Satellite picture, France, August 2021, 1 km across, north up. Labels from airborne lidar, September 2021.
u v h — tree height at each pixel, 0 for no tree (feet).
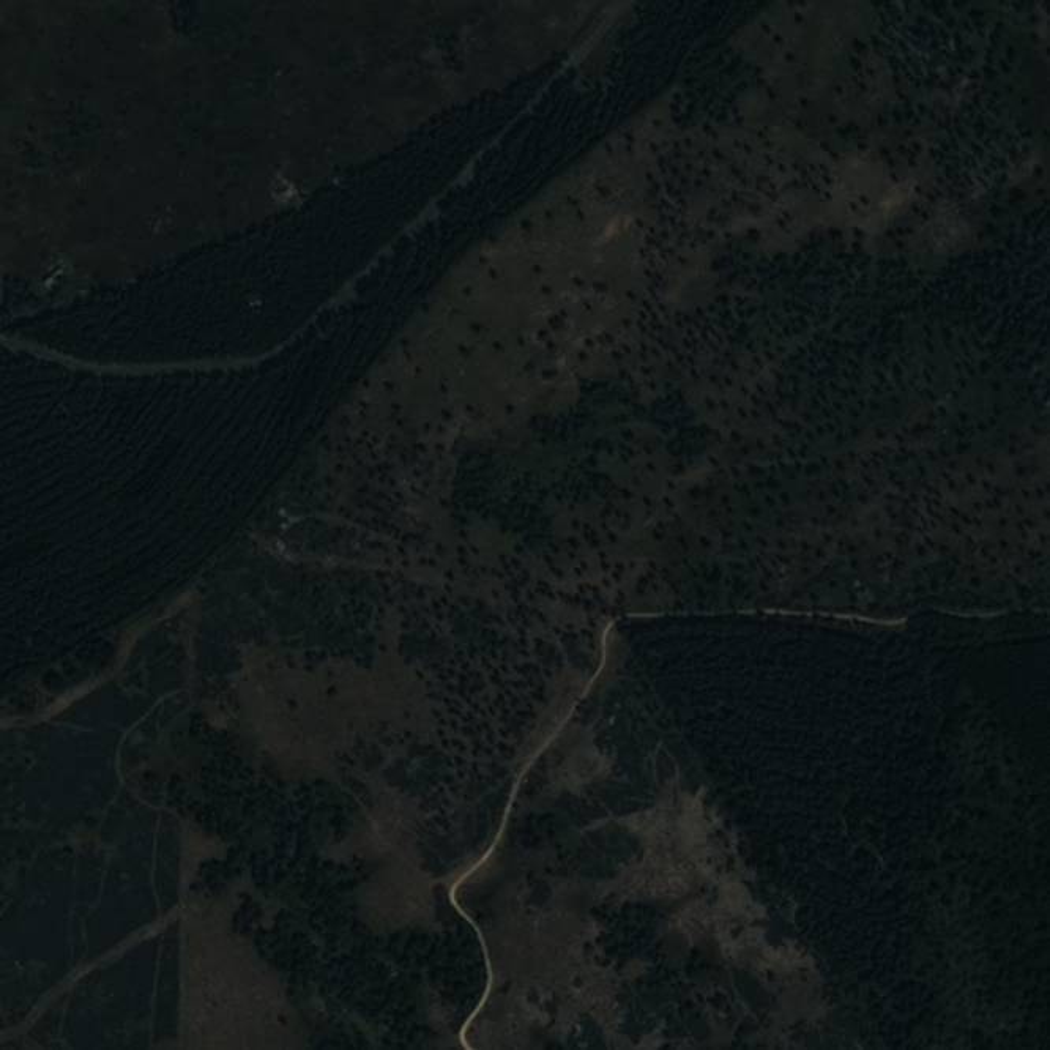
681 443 34
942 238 0
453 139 47
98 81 0
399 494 33
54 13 0
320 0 0
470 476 35
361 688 0
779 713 68
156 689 0
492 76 0
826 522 0
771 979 32
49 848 0
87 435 44
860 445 0
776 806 57
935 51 59
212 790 39
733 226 0
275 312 48
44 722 0
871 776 61
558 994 0
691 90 29
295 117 0
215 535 46
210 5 0
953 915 24
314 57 0
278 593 0
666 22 48
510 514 24
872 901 67
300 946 45
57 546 47
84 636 62
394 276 60
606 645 0
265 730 0
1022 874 32
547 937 0
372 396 0
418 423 0
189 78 0
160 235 0
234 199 0
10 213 0
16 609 39
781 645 47
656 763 0
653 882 0
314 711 0
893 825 64
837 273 43
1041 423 0
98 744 0
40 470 46
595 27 0
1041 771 43
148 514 38
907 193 0
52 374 42
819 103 0
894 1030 50
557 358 0
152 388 32
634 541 0
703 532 0
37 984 0
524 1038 0
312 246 39
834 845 45
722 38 53
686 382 0
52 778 0
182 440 36
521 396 0
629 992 0
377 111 0
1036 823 25
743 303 47
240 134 0
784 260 29
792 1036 0
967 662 38
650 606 0
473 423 0
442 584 0
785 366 35
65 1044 0
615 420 26
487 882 0
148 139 0
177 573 44
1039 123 0
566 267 0
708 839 0
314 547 32
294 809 27
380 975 41
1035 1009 38
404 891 0
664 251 41
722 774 52
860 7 0
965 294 39
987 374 29
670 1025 22
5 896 0
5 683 68
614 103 36
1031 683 37
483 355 0
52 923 0
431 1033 34
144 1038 0
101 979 0
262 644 0
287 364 54
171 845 0
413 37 0
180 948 0
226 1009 0
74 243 0
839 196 0
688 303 0
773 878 34
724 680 60
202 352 45
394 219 62
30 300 23
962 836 59
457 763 40
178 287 51
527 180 34
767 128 21
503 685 39
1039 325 40
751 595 39
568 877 0
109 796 0
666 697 58
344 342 52
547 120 43
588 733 0
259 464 37
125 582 44
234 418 42
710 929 0
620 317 0
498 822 0
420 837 0
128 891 0
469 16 0
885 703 63
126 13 0
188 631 0
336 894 27
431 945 23
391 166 39
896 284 28
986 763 24
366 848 0
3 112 0
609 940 23
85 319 44
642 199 0
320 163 0
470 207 54
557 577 27
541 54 0
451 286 0
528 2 0
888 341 49
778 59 0
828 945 69
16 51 0
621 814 0
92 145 0
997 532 0
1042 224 52
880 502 0
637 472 0
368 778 0
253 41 0
